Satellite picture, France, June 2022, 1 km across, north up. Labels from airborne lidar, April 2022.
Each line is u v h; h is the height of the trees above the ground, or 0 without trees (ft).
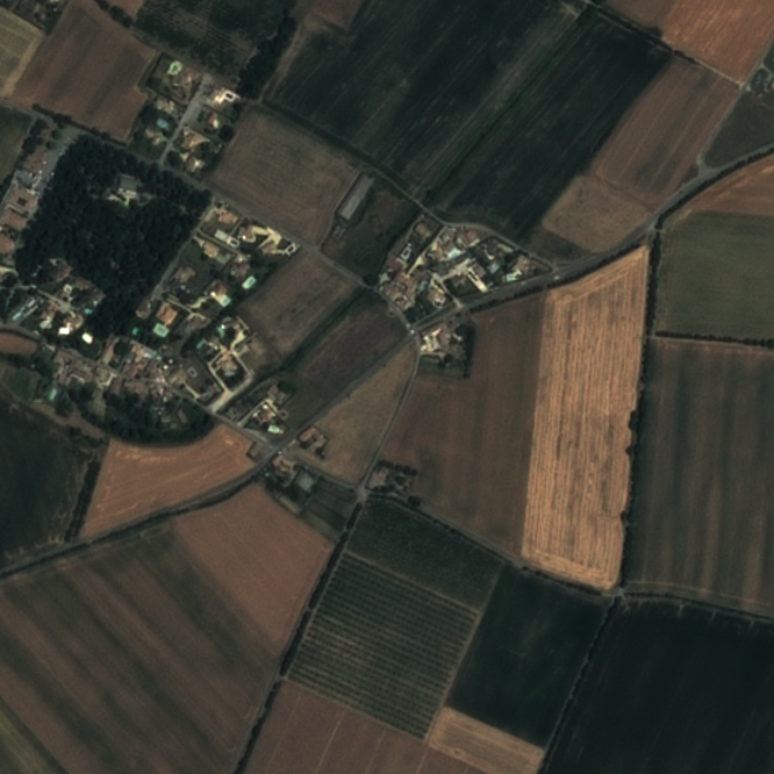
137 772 0
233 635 0
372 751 0
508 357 0
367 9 0
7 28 0
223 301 0
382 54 0
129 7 0
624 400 0
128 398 24
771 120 0
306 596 0
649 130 0
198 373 0
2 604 0
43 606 0
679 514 0
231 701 0
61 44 0
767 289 0
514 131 0
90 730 0
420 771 0
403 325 0
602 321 0
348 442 0
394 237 28
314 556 0
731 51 0
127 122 0
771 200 0
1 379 0
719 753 0
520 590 0
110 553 0
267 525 0
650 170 0
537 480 0
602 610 0
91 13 0
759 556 0
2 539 0
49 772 0
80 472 0
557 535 0
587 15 31
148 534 0
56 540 0
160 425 35
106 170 65
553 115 0
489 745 0
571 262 0
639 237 0
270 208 0
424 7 0
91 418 35
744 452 0
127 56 0
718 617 0
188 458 0
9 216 0
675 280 0
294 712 0
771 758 0
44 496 0
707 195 0
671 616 0
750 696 0
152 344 35
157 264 32
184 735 0
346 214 0
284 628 0
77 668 0
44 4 31
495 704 0
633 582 0
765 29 0
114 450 0
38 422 0
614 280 0
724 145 0
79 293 19
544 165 0
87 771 0
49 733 0
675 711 0
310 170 0
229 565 0
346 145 0
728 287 0
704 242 0
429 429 0
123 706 0
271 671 0
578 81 0
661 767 0
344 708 0
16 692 0
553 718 0
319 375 0
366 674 0
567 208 0
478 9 0
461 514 0
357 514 31
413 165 0
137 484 0
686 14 0
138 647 0
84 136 36
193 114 0
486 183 0
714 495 0
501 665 0
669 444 0
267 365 0
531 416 0
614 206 0
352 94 0
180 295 37
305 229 0
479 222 0
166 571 0
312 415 0
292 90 0
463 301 0
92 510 0
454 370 0
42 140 36
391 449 0
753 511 0
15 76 0
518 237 0
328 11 0
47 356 0
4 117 0
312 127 0
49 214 53
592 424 0
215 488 0
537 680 0
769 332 0
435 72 0
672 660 0
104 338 25
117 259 58
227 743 0
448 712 0
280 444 0
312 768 0
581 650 0
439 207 0
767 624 0
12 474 0
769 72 0
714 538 0
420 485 0
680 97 0
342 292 0
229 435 0
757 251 0
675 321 0
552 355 0
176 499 0
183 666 0
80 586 0
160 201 42
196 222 39
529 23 0
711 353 0
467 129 0
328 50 0
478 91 0
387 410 0
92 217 64
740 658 0
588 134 0
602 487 0
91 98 0
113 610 0
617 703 0
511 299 21
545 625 0
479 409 0
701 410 0
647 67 0
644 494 0
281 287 0
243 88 18
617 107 0
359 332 0
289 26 34
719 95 0
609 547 0
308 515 0
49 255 27
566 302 0
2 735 0
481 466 0
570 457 0
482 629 0
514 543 0
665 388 0
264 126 0
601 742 0
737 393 0
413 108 0
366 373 0
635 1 0
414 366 0
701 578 0
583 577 0
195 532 0
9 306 27
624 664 0
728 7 0
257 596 0
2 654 0
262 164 0
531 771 0
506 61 0
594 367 0
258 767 0
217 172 0
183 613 0
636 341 0
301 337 0
